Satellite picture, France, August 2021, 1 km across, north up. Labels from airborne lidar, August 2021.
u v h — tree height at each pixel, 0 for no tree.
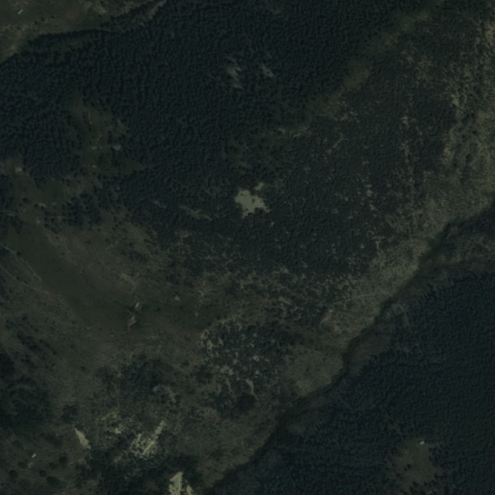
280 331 9
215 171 13
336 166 14
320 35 23
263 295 6
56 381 0
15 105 11
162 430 6
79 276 0
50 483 15
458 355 11
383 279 0
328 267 13
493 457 21
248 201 0
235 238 9
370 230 7
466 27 7
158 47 15
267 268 7
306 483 23
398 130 13
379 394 15
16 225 13
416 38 8
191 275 6
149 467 6
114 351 0
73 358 0
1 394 6
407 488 0
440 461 12
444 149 6
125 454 6
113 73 24
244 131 15
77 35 11
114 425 15
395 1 8
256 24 22
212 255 8
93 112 0
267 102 13
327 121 9
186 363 5
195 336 0
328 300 8
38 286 0
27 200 9
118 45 20
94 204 9
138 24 7
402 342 8
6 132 17
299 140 10
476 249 8
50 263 0
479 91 10
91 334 0
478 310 11
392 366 19
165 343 0
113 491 17
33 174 10
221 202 11
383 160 13
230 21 21
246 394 13
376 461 13
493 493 12
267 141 7
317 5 18
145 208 7
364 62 0
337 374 7
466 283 12
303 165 12
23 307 0
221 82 8
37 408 11
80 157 11
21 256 7
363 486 18
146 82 14
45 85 17
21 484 5
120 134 0
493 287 11
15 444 10
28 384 10
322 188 9
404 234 6
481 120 0
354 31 15
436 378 13
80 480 11
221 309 0
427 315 10
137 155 7
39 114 20
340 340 0
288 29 20
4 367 19
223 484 8
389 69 10
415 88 13
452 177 0
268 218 13
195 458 8
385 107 12
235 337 14
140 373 9
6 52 0
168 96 14
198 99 15
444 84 7
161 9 17
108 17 0
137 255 6
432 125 10
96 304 0
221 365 9
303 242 15
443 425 10
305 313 8
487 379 16
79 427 10
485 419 16
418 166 17
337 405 8
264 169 9
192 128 13
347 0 14
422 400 16
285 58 16
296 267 14
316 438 10
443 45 11
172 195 12
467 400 14
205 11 14
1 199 10
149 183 15
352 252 9
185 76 14
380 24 9
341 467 27
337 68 13
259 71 15
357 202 8
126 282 0
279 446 6
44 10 0
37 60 14
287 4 12
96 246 0
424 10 7
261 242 11
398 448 9
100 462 13
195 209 12
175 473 8
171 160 17
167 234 6
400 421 18
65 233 0
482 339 15
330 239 9
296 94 13
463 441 15
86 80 22
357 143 9
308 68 17
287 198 11
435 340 8
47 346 7
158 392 9
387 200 11
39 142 16
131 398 6
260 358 9
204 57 21
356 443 20
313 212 14
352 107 7
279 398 6
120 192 10
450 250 6
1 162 11
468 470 13
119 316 0
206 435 8
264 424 9
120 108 18
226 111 17
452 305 12
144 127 15
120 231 0
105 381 9
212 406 7
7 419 17
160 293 0
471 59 6
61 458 8
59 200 0
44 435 8
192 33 18
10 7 0
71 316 0
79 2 0
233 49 14
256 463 7
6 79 18
